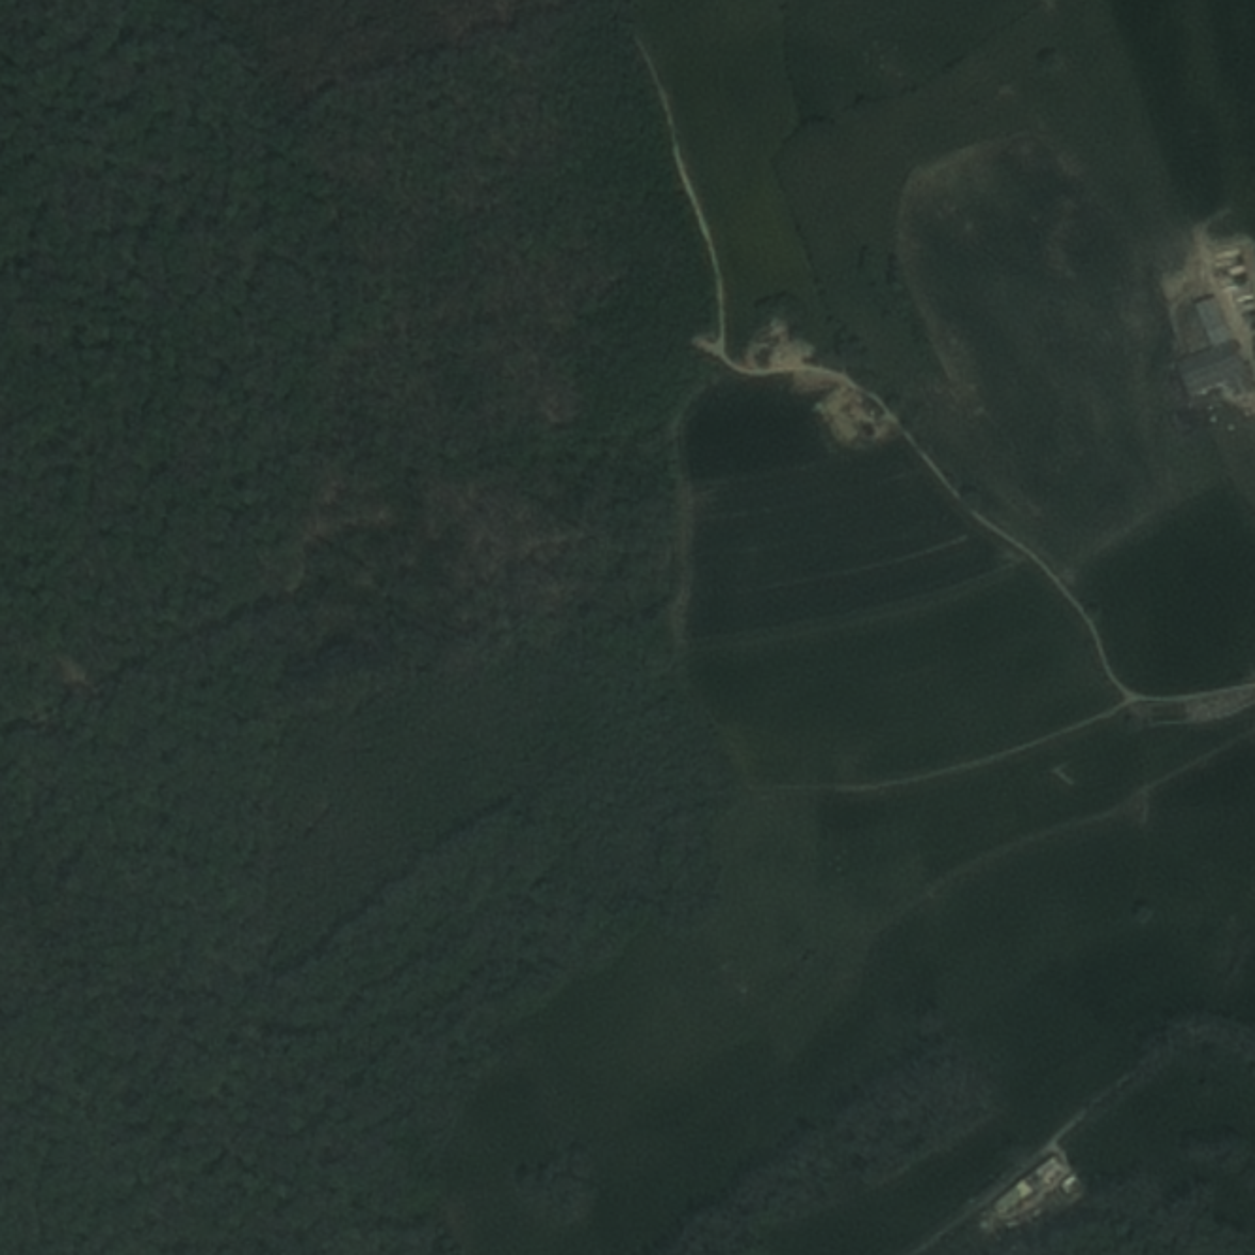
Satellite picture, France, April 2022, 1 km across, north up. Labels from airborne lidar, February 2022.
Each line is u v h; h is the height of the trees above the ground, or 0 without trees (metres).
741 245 0
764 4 0
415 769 12
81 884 30
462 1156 0
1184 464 0
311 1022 34
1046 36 0
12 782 28
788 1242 0
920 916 0
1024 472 0
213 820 30
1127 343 0
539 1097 0
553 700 12
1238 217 0
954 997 0
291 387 28
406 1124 20
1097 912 0
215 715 26
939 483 0
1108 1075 0
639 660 20
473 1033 30
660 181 8
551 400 21
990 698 0
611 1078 0
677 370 8
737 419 0
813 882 0
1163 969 0
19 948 28
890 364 0
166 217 26
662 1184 0
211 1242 27
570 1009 0
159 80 30
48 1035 31
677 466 16
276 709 21
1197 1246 16
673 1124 0
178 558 28
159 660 22
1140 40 0
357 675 25
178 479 27
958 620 0
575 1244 0
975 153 0
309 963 12
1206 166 0
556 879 24
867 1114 24
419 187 22
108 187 29
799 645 0
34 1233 31
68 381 29
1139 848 0
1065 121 0
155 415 28
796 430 0
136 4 32
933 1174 0
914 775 0
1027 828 0
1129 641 0
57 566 27
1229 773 0
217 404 27
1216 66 0
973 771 0
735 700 0
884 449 0
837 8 0
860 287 0
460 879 29
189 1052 27
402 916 31
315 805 10
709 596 0
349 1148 32
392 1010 28
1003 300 0
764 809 0
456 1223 0
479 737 12
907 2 0
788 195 0
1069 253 0
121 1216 30
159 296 32
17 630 27
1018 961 0
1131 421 0
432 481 24
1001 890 0
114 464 25
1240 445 0
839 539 0
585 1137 0
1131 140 0
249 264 27
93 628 28
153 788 28
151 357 31
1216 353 0
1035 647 0
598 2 12
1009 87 0
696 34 0
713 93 0
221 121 17
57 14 28
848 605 0
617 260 22
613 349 12
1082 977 0
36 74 28
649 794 7
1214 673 0
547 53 21
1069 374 0
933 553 0
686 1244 21
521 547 23
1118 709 0
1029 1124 0
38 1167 30
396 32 6
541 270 22
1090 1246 32
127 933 30
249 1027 29
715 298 9
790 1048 0
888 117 0
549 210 20
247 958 31
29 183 30
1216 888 0
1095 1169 0
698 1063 0
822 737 0
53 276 28
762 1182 24
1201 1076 0
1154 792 0
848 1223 0
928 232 0
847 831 0
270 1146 29
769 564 0
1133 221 0
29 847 29
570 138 17
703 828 18
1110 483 0
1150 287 0
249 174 30
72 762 30
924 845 0
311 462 26
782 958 0
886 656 0
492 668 12
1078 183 0
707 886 25
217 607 23
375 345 23
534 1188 25
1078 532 0
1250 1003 0
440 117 21
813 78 0
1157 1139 0
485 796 14
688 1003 0
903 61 0
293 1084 32
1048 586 0
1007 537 0
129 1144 29
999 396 0
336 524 24
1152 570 0
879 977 0
